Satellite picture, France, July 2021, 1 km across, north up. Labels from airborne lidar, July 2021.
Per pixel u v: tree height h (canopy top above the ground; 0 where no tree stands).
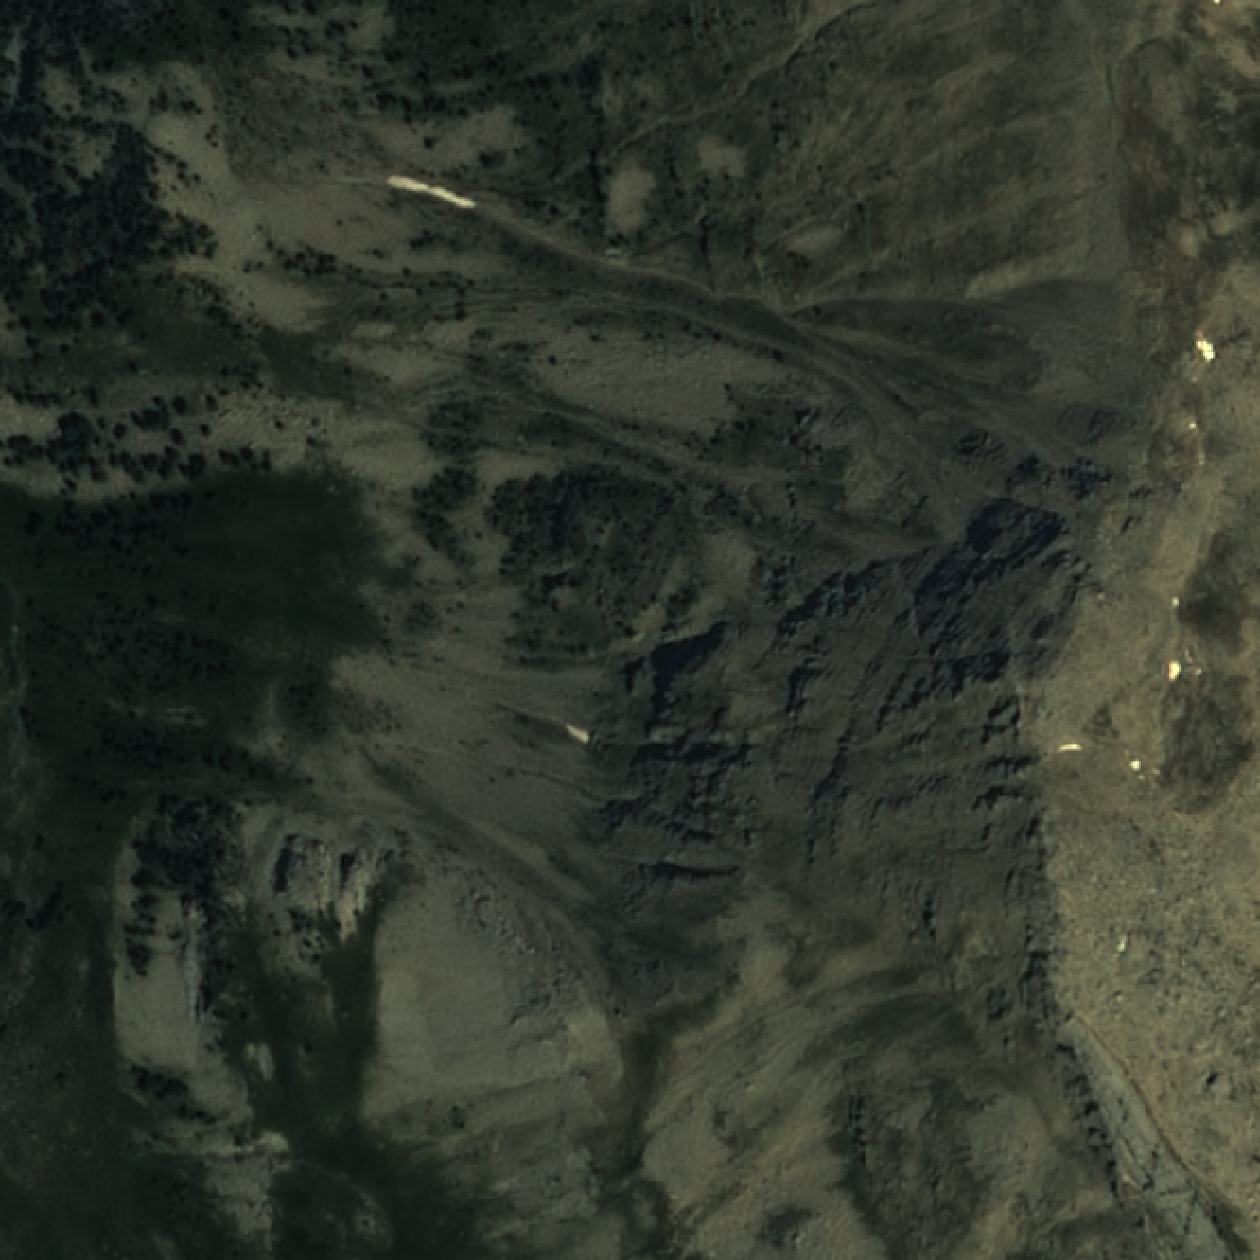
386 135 0
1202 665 0
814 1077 0
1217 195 0
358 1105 0
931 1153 0
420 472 0
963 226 0
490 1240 0
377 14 0
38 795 0
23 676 0
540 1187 0
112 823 0
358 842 0
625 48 0
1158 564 0
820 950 0
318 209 0
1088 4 0
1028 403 0
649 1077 0
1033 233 0
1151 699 0
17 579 0
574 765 0
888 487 0
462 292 7
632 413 0
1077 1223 0
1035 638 0
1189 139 0
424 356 0
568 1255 0
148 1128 0
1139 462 0
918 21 0
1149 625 0
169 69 0
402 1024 0
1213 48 0
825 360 0
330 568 0
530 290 0
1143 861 0
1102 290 0
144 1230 0
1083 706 0
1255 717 0
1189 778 0
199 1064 0
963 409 0
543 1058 0
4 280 16
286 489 0
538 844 0
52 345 0
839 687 0
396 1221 0
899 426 0
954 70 0
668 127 0
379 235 0
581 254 0
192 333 0
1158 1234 0
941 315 0
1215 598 0
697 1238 0
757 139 0
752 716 0
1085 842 0
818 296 0
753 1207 0
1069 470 0
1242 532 0
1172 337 0
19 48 0
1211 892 0
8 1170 0
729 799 0
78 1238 0
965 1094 0
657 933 0
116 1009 0
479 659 0
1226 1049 0
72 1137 0
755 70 0
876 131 0
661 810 0
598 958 0
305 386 0
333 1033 0
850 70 0
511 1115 0
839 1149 0
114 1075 0
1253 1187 0
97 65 8
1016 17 0
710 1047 0
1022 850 0
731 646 0
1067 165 0
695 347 0
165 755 15
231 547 0
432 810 0
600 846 0
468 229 0
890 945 0
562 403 0
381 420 0
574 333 0
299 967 0
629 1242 0
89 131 10
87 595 0
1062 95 0
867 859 0
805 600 0
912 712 0
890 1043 0
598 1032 0
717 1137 0
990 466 0
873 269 0
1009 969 0
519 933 0
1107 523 0
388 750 0
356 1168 0
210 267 0
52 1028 0
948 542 0
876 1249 0
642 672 0
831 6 0
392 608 0
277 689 0
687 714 0
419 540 0
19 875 0
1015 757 0
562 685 0
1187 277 0
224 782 0
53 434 0
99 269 12
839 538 0
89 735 0
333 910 0
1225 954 0
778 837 0
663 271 0
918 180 0
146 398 0
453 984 0
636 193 0
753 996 0
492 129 0
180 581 0
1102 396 0
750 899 0
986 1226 0
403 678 0
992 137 0
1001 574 0
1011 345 0
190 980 0
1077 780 0
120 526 11
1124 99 0
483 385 0
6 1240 0
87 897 0
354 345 0
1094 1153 0
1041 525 0
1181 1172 0
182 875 11
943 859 0
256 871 0
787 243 0
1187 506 0
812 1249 0
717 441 6
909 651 0
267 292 0
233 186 0
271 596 0
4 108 10
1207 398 0
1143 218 0
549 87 15
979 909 0
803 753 0
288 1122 0
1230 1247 0
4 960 0
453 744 0
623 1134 0
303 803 0
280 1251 0
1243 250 0
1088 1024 0
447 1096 0
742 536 0
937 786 0
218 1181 0
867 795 0
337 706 0
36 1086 0
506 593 0
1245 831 0
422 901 0
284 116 0
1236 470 0
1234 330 0
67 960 0
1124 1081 0
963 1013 0
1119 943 0
